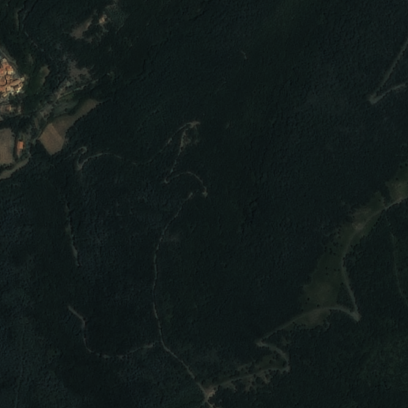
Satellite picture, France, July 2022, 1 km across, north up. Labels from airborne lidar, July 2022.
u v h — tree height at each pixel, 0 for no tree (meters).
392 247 16
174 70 12
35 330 7
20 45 12
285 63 20
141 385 12
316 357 10
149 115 9
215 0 11
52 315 13
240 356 10
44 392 9
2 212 8
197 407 9
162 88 14
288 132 8
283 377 10
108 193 9
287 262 9
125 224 8
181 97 6
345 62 9
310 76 8
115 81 7
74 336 25
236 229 19
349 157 7
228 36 7
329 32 8
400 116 8
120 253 8
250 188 13
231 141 16
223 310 13
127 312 11
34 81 7
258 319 11
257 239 8
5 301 9
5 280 11
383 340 16
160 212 11
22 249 9
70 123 0
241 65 10
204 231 17
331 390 12
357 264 9
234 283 12
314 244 7
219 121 14
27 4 16
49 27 8
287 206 11
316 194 13
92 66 7
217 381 7
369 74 8
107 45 12
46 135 0
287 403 14
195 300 12
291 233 9
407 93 7
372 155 9
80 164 8
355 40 6
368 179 9
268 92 10
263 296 10
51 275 13
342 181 10
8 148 0
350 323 10
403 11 6
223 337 11
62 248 14
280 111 15
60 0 8
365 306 10
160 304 7
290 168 10
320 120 9
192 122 8
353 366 12
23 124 8
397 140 9
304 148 10
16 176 8
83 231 9
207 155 10
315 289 0
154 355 9
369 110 6
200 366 9
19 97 16
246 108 15
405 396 20
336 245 8
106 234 9
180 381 8
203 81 10
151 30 14
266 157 19
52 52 9
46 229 16
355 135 6
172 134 7
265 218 12
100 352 14
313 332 11
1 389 8
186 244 14
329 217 8
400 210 13
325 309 0
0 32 15
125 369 9
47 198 11
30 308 11
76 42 7
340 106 7
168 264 10
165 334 9
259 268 13
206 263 15
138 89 13
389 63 9
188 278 14
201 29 10
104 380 12
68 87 8
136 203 12
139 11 14
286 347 8
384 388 14
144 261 9
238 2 9
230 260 12
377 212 0
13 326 8
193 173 9
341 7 17
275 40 11
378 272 7
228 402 11
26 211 12
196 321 13
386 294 14
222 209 17
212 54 8
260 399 13
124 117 12
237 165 13
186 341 10
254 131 15
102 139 12
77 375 20
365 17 7
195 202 9
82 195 7
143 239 8
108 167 8
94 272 13
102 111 8
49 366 11
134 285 7
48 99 10
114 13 7
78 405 13
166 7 10
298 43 14
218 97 8
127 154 10
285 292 11
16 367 14
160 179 10
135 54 11
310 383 14
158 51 15
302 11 16
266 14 6
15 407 8
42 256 8
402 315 15
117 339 7
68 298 13
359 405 10
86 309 14
